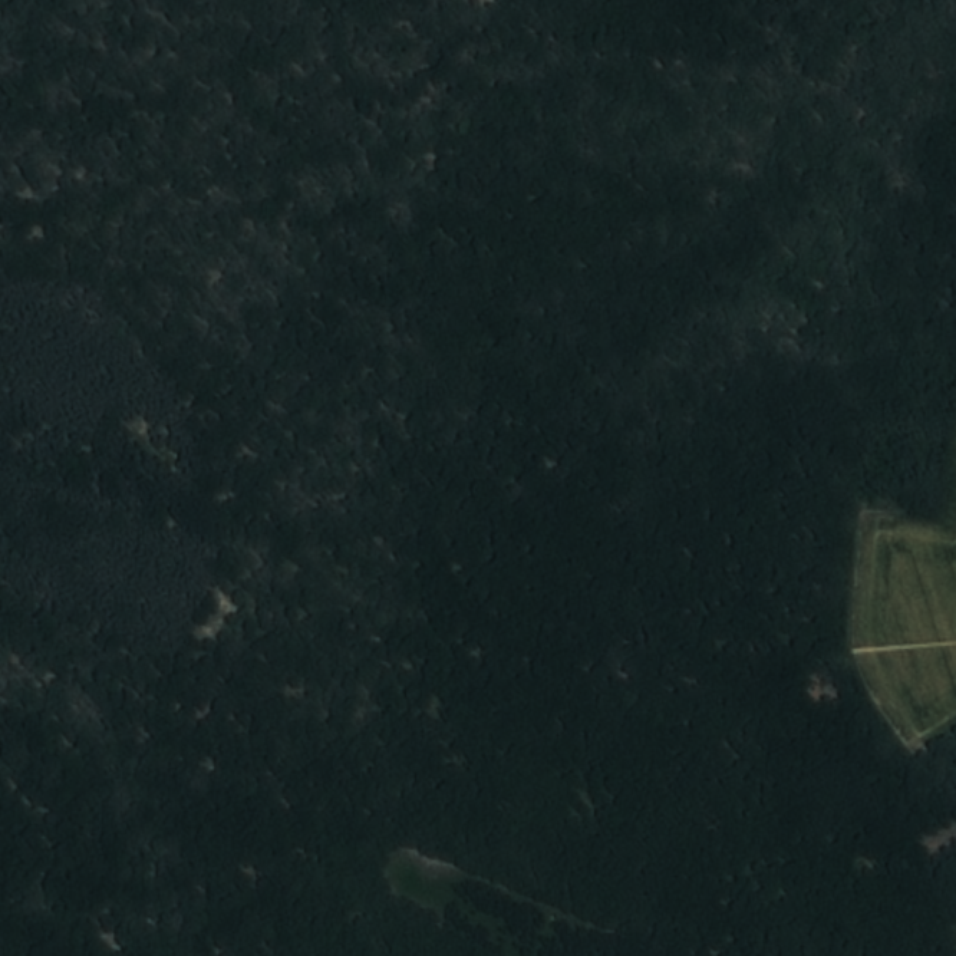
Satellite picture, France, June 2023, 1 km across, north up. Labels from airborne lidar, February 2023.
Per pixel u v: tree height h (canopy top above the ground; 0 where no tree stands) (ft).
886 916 60
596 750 63
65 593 62
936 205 69
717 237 79
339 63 82
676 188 68
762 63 78
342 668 66
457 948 45
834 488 92
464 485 79
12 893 82
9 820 88
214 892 83
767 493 78
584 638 73
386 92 74
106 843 82
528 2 73
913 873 61
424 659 66
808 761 63
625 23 75
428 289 71
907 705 0
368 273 78
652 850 69
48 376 61
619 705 75
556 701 67
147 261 67
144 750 63
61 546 64
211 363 66
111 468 62
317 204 71
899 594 0
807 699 55
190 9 84
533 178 81
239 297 69
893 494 74
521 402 89
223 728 74
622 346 84
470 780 56
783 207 78
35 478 61
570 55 79
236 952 87
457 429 74
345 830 42
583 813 63
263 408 75
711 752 68
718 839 61
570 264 74
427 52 77
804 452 72
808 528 84
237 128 77
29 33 61
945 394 64
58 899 63
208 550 61
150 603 63
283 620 51
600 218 75
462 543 74
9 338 69
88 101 79
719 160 60
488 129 61
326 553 72
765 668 71
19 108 81
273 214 90
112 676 92
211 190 78
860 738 66
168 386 60
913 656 0
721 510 59
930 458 37
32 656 37
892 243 84
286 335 70
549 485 79
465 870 51
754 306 84
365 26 80
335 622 68
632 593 69
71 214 73
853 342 71
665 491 80
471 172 71
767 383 73
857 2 73
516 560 88
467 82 78
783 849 70
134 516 69
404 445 77
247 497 70
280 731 69
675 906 80
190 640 45
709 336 76
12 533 75
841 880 45
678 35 78
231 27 71
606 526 77
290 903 57
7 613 88
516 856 64
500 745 66
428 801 57
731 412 82
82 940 92
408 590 66
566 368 79
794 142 67
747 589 76
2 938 79
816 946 74
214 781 59
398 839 48
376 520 78
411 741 53
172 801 66
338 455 90
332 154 76
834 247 84
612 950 49
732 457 68
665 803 52
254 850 67
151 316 70
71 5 79
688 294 88
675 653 74
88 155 72
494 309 79
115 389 71
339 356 78
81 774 61
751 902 60
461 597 62
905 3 71
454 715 56
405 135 63
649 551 70
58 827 81
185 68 68
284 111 81
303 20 68
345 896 45
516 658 54
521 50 76
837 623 65
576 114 74
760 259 80
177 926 81
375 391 69
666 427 50
